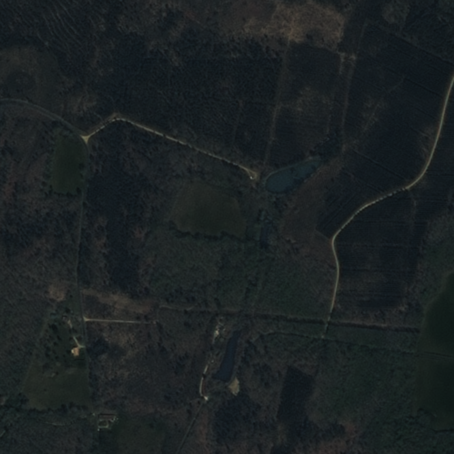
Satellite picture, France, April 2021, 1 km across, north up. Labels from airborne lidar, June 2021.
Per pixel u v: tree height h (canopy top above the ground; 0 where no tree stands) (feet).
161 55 42
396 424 29
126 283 33
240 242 55
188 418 25
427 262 42
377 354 52
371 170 30
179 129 49
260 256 53
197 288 33
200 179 59
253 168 42
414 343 50
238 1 24
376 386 53
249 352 45
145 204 51
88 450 52
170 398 24
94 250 38
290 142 28
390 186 27
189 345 22
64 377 0
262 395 33
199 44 40
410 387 37
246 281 54
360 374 40
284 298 55
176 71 54
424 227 36
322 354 41
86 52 45
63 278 53
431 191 24
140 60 44
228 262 85
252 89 57
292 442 20
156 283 59
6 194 39
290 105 23
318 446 60
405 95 30
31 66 0
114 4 49
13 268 51
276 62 52
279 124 26
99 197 52
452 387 0
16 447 47
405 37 48
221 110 67
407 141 29
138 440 0
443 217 33
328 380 44
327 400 52
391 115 28
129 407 34
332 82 32
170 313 30
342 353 40
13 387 58
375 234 22
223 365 0
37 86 0
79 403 0
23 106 35
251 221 35
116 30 43
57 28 40
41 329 58
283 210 45
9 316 54
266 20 0
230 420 45
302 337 42
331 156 57
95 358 33
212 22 34
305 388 23
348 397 45
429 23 52
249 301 47
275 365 50
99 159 39
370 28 25
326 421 42
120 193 43
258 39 29
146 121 50
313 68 22
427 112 27
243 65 56
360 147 22
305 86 23
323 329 47
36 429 42
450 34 40
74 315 20
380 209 28
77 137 20
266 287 49
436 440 64
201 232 0
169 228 53
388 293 32
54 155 44
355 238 28
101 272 49
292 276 57
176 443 19
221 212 0
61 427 47
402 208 26
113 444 39
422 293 46
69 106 0
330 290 34
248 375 26
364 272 26
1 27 48
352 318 32
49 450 45
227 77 54
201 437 38
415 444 32
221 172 43
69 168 0
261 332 30
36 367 0
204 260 52
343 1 66
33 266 60
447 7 44
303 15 0
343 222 26
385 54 25
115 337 0
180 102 50
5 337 66
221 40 41
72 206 38
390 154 30
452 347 0
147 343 29
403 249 31
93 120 30
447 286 0
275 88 61
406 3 47
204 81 56
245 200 26
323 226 28
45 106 0
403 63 30
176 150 28
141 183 46
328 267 35
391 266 24
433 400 0
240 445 18
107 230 43
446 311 0
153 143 47
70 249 22
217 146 39
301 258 37
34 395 0
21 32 50
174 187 42
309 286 48
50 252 35
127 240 39
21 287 52
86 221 36
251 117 35
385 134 30
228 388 31
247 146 40
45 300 33
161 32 30
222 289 78
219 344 18
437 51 53
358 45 21
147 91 52
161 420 40
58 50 40
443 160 21
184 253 47
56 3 43
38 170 27
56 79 0
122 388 36
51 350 40
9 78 0
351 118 28
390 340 62
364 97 26
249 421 50
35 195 36
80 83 46
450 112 22
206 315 37
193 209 0
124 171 49
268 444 30
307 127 27
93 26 46
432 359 0
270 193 43
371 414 63
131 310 0
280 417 23
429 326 0
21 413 54
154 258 39
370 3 23
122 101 48
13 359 53
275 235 48
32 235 38
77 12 37
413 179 39
